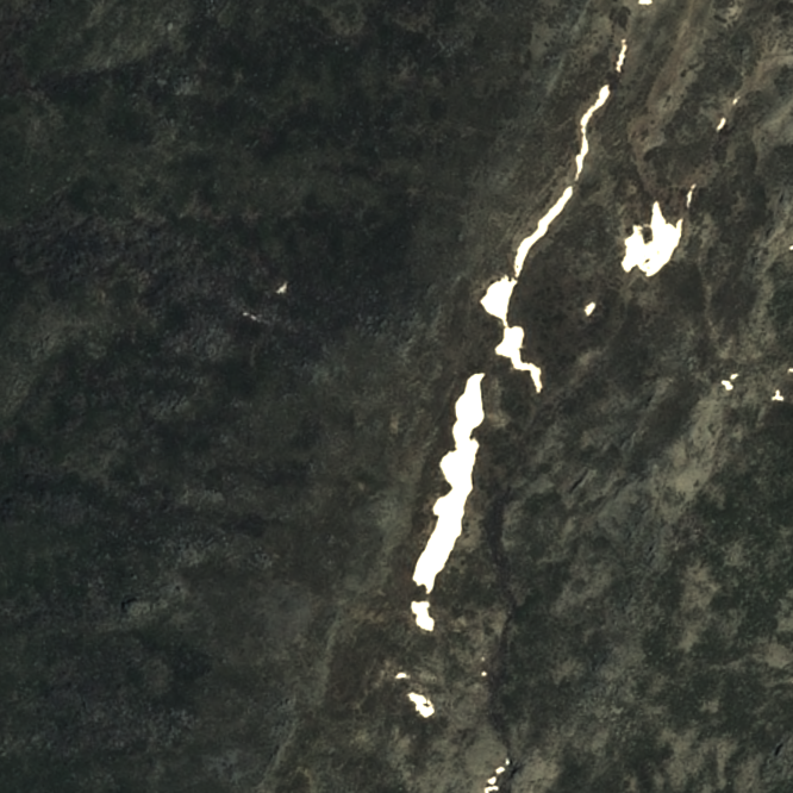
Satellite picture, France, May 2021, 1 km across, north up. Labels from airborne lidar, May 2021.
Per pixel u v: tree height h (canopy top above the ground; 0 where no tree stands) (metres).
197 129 0
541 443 0
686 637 0
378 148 0
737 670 0
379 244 0
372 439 0
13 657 0
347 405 0
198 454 0
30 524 0
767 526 0
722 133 0
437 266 0
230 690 0
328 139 0
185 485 0
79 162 0
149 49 0
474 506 0
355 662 0
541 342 0
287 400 0
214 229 0
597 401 0
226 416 0
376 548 0
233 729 0
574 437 0
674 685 0
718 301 0
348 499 0
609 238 0
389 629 0
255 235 0
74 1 0
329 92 0
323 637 0
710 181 0
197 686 0
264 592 0
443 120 0
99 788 0
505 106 0
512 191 0
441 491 0
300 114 0
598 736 0
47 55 0
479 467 0
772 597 0
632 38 0
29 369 0
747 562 0
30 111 0
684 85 0
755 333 0
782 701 0
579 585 0
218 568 0
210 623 0
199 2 0
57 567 0
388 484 0
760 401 0
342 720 0
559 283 0
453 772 0
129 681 0
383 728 0
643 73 0
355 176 0
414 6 0
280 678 0
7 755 0
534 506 0
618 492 0
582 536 0
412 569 0
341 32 0
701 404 0
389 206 0
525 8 0
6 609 8
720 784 0
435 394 0
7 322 0
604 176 0
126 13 0
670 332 0
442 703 0
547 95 0
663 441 0
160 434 0
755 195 0
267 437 0
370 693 0
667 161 0
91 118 0
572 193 0
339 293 0
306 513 0
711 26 0
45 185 0
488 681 0
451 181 0
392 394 0
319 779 0
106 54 0
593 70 0
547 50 0
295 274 0
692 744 0
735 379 0
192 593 0
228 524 0
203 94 0
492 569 0
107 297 0
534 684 0
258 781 0
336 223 0
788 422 0
